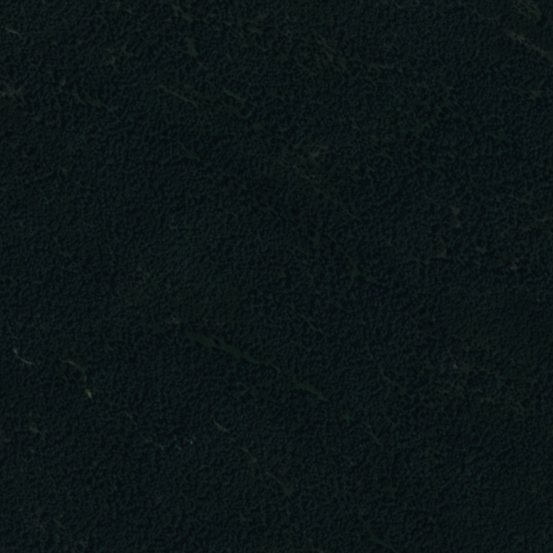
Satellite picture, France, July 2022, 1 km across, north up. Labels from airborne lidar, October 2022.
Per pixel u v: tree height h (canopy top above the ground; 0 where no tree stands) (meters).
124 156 29
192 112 25
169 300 23
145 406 24
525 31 27
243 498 20
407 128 9
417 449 19
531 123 21
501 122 27
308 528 29
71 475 22
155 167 32
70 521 24
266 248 27
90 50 25
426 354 24
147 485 24
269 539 14
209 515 28
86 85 19
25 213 23
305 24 15
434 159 7
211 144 13
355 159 33
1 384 27
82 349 23
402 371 28
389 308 27
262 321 24
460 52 20
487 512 8
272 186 14
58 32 13
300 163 14
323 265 12
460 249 31
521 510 21
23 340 24
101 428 15
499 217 25
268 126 14
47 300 22
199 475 23
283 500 9
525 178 19
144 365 14
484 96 27
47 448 25
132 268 21
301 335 6
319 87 20
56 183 13
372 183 32
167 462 24
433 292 19
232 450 27
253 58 25
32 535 27
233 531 18
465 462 25
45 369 21
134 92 9
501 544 22
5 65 24
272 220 11
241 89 27
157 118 13
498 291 22
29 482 19
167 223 21
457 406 8
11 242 27
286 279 9
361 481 19
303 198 7
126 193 27
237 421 24
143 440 26
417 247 13
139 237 24
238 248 23
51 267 26
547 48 28
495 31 10
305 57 13
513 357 23
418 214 26
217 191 29
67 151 26
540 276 8
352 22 27
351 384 26
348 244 9
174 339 24
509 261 9
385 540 28
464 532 22
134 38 9
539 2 31
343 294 23
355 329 29
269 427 29
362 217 12
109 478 31
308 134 30
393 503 24
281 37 8
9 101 24
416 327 34
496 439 24
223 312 21
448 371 13
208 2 11
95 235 24
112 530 25
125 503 27
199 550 33
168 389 22
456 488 14
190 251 22
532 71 23
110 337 23
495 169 25
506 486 16
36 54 31
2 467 26
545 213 12
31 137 19
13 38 15
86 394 25
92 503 30
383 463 26
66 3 24
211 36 14
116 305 31
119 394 23
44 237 28
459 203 26
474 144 7
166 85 8
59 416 22
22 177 23
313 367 25
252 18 27
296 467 16
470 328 20
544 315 19
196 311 12
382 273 30
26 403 18
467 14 23
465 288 9
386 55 28
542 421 20
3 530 11
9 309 22
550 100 28
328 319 16
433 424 11
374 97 19
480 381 18
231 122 19
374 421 25
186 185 14
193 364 23
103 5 28
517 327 21
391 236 24
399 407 20
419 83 23
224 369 20
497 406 11
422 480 28
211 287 24
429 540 16
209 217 14
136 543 19
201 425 26
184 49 24
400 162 16
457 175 29
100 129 27
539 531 22
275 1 24
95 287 24
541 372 27
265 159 25
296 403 28
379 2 28
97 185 24
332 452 10
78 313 20
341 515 17
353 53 19
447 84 20
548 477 13
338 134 27
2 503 21
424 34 27
